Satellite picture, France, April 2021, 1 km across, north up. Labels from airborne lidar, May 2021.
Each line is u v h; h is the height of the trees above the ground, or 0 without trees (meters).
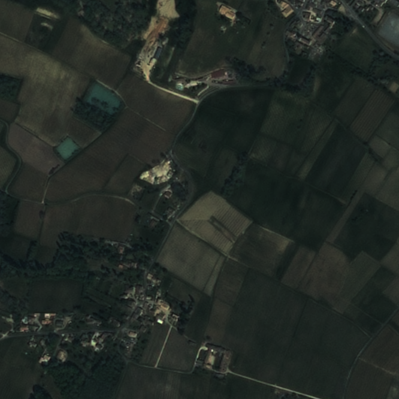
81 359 15
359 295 0
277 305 0
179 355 0
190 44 0
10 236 0
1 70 0
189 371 0
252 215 0
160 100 0
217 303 0
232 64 19
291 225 0
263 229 0
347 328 0
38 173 0
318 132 0
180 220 0
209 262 0
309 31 0
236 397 0
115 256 7
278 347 0
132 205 0
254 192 0
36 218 0
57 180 0
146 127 0
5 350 0
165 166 0
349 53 0
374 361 0
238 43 0
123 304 9
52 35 0
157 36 0
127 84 0
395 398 0
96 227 0
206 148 0
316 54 0
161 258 0
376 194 0
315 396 0
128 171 0
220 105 0
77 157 0
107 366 12
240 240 0
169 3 0
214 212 0
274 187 0
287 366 0
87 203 0
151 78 0
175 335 0
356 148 0
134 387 0
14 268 12
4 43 0
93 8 20
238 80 19
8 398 0
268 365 0
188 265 0
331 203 0
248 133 0
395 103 0
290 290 0
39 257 0
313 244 0
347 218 0
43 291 0
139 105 0
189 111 0
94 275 14
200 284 0
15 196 0
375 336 0
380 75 0
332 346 0
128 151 0
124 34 21
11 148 0
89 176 0
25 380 0
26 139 0
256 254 0
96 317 9
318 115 0
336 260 0
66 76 0
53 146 0
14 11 0
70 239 10
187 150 0
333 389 0
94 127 16
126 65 0
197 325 0
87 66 0
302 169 0
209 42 0
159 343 0
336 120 0
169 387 0
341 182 0
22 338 0
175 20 0
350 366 0
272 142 0
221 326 0
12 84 15
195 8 20
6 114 0
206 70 0
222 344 0
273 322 0
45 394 25
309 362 0
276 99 0
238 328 0
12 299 19
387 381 0
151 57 0
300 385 0
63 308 0
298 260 0
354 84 0
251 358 0
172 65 0
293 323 0
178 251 0
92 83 0
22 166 0
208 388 0
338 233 0
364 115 0
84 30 0
